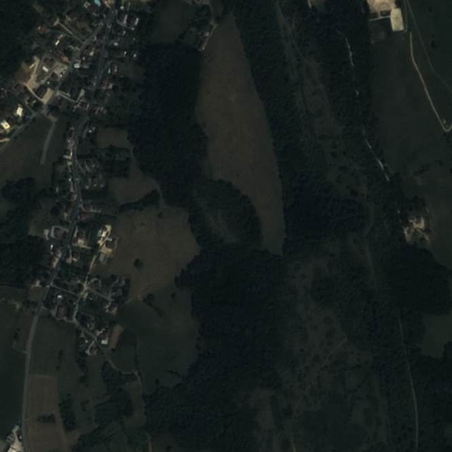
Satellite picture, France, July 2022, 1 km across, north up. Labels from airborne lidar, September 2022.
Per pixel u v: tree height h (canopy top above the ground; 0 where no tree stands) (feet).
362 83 77
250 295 77
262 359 56
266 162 0
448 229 0
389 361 67
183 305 0
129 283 20
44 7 29
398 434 31
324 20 80
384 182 39
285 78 23
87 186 0
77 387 0
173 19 0
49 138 0
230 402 34
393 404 30
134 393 0
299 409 0
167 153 74
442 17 0
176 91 90
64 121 0
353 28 84
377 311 54
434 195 0
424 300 85
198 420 72
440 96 0
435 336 0
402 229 42
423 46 0
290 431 0
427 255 72
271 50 21
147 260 0
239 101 0
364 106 63
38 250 45
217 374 74
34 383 0
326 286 23
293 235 57
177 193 71
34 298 0
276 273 38
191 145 58
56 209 52
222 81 0
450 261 0
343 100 29
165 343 0
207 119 0
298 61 20
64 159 34
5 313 0
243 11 28
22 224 55
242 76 0
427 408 34
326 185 18
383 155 55
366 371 0
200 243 51
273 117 21
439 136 0
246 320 62
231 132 0
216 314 77
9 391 0
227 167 0
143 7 0
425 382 36
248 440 22
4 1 25
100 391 0
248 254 57
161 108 78
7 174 0
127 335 0
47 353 0
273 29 34
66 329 0
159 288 0
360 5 84
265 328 67
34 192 30
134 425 0
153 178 59
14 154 0
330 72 26
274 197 0
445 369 78
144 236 0
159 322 0
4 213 0
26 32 55
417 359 37
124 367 0
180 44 55
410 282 84
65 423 24
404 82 0
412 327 39
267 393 0
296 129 40
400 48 0
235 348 75
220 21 31
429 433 18
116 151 27
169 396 24
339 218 26
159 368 0
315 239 37
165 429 42
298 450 0
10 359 0
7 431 0
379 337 53
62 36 0
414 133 0
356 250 0
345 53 50
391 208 58
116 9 19
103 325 22
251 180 0
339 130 0
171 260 0
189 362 0
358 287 19
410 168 0
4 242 0
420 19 0
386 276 20
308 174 24
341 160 0
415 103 0
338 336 0
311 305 0
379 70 0
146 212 0
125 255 0
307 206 85
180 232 0
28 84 0
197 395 23
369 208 0
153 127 88
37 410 0
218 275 76
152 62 88
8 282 33
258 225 40
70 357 0
